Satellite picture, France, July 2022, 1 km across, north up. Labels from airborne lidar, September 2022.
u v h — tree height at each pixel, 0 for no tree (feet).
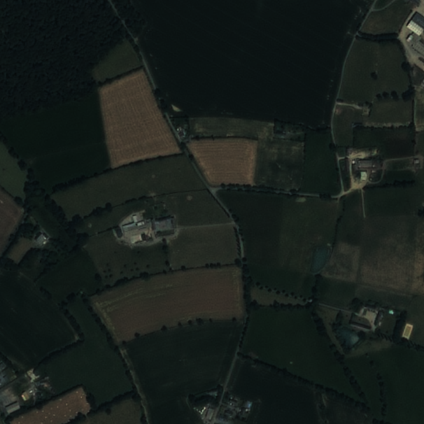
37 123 0
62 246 30
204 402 45
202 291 0
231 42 0
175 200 0
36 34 76
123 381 0
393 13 0
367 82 0
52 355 41
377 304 21
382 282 0
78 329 67
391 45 0
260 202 0
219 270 0
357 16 0
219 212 0
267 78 0
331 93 0
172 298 0
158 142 0
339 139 0
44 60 81
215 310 0
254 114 0
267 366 45
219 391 38
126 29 22
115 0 78
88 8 82
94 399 41
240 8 0
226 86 0
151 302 0
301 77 0
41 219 0
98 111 0
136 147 0
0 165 0
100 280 59
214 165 0
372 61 0
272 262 0
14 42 70
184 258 0
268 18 0
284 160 0
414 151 0
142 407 25
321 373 0
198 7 0
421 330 0
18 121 0
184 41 0
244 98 0
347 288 0
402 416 0
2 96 80
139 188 0
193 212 0
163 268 0
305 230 0
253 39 0
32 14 79
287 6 0
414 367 0
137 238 0
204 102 0
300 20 0
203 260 0
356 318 21
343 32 0
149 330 0
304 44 0
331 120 0
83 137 0
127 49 0
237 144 0
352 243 0
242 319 0
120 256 0
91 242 0
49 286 0
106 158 0
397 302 0
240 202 0
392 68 0
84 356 0
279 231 0
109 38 68
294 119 0
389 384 0
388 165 0
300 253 0
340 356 37
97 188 0
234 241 0
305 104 0
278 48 0
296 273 0
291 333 0
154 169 0
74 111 0
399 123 0
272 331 0
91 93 67
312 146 0
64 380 0
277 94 0
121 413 0
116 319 0
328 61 0
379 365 0
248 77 0
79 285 0
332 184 0
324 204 0
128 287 0
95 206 0
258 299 0
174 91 0
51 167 0
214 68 0
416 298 0
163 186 0
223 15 0
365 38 21
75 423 46
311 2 0
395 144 0
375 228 0
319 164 0
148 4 0
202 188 0
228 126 0
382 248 0
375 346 0
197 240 0
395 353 0
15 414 31
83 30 80
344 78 0
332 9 0
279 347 0
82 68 83
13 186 0
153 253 0
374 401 0
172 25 0
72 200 0
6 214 0
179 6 0
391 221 0
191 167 0
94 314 19
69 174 0
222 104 0
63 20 71
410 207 0
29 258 43
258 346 0
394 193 0
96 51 73
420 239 0
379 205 0
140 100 0
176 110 0
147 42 0
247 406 0
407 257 0
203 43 0
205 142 0
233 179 0
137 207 0
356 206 0
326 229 0
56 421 0
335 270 0
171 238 0
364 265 0
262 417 0
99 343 0
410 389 0
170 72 0
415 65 0
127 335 0
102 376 0
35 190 80
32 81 82
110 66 0
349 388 0
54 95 74
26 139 0
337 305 0
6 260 37
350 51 0
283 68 0
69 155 0
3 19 81
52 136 0
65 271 0
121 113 0
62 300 0
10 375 0
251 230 0
